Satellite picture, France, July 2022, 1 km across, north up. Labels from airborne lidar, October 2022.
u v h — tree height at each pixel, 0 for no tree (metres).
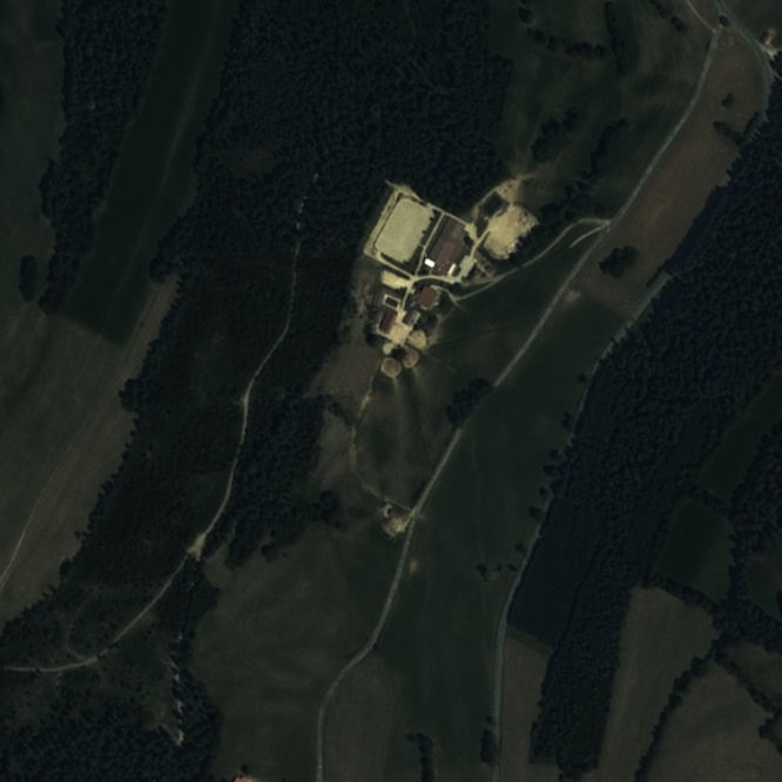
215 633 0
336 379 0
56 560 0
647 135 0
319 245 25
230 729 0
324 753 0
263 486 20
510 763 0
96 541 7
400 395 0
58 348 0
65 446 0
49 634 17
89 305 0
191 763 37
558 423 0
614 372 20
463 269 0
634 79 0
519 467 0
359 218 30
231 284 13
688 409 25
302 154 14
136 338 0
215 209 15
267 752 0
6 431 0
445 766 0
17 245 0
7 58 0
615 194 0
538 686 0
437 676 0
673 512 16
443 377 0
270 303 7
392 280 0
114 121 9
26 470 0
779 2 0
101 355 0
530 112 0
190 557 8
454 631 0
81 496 0
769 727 11
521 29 0
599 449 21
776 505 29
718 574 0
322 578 0
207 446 10
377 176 28
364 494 0
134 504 6
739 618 28
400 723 0
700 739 0
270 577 0
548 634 12
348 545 0
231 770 0
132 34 25
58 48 0
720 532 0
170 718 0
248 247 5
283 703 0
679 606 0
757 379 21
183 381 7
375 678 0
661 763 0
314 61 6
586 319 0
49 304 17
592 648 19
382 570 0
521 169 0
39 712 0
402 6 7
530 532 0
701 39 0
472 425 0
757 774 0
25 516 0
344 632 0
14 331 0
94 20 27
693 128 0
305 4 7
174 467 10
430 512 0
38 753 39
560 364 0
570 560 11
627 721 0
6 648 19
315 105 16
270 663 0
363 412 0
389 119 24
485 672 0
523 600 11
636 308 0
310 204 15
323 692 0
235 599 0
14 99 0
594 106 0
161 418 10
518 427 0
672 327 30
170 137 0
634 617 0
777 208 24
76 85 22
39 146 0
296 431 18
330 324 6
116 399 0
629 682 0
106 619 8
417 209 0
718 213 23
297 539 10
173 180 0
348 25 17
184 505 8
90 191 7
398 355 20
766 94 0
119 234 0
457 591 0
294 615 0
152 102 0
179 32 0
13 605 0
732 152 0
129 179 0
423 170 29
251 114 27
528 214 0
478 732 0
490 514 0
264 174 0
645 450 20
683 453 12
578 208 15
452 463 0
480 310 0
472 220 0
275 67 25
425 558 0
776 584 0
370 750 0
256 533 21
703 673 15
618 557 18
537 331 0
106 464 0
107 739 11
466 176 33
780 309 24
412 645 0
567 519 13
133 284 0
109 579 10
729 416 18
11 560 0
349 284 11
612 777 0
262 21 8
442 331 0
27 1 0
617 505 20
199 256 9
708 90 0
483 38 26
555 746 8
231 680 0
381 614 0
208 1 0
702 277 27
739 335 17
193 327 8
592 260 0
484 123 27
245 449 15
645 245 0
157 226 0
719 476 0
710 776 0
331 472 0
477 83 33
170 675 0
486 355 0
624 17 0
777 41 0
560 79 0
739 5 0
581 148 0
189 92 0
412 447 0
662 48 0
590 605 17
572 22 0
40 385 0
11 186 0
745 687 12
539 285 0
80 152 9
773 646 23
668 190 0
